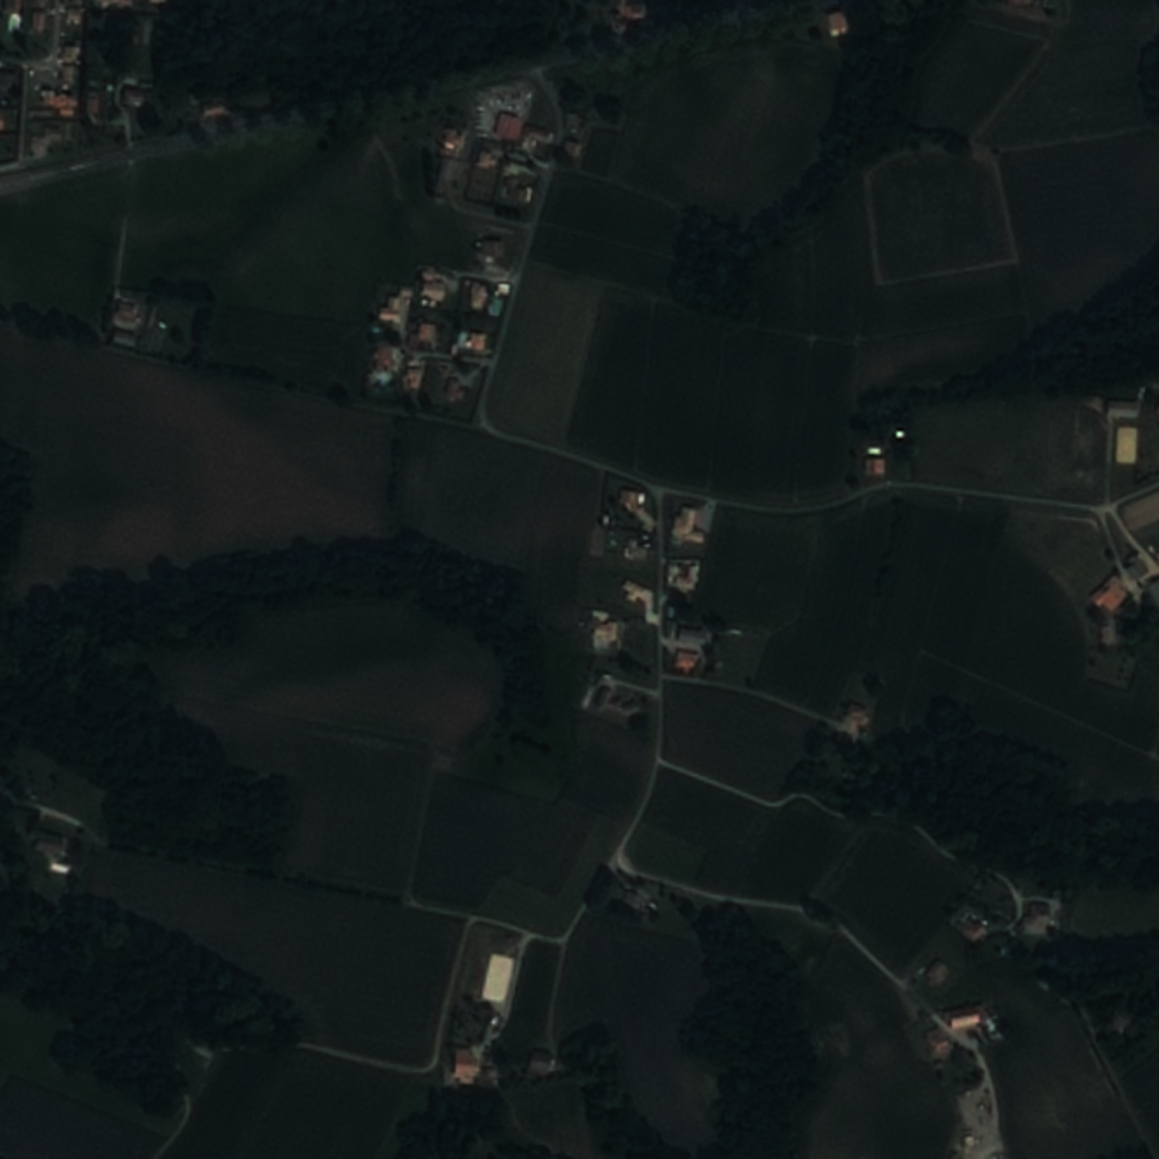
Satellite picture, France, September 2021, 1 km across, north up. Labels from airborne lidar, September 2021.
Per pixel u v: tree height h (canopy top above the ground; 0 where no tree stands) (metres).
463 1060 0
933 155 0
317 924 0
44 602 20
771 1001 28
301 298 0
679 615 17
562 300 0
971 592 0
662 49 30
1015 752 17
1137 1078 0
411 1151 19
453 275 0
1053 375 23
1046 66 0
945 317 0
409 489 0
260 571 21
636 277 0
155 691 22
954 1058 8
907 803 17
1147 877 20
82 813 0
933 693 0
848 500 0
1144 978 15
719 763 0
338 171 0
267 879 9
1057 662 0
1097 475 0
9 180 0
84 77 10
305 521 0
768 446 0
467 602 29
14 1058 0
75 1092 0
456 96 0
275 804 13
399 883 0
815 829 0
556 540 0
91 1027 23
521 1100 0
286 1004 9
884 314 0
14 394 0
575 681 0
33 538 0
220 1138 0
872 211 0
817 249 0
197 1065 0
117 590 22
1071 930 0
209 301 17
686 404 0
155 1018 19
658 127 0
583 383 0
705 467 0
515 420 0
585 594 0
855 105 29
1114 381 18
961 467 0
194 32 18
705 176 0
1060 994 8
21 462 11
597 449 0
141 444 0
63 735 26
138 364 0
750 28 32
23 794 10
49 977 22
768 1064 25
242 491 0
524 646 25
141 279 0
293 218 0
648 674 7
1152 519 0
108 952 22
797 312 0
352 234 0
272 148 0
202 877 0
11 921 27
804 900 0
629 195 0
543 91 0
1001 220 0
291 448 0
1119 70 0
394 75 23
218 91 13
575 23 6
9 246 0
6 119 0
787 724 0
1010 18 0
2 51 9
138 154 0
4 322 10
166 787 29
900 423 16
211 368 8
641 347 0
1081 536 0
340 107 30
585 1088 6
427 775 0
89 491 0
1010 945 6
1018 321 0
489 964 0
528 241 0
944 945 0
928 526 0
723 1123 7
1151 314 24
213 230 0
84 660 29
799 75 0
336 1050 0
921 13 27
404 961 0
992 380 20
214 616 25
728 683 0
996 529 0
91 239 0
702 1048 23
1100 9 0
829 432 0
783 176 0
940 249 0
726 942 24
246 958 0
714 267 26
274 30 27
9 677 28
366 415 0
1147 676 0
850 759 15
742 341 0
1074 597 0
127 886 0
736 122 0
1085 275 0
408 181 0
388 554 19
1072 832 24
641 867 0
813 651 0
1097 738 0
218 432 0
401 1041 0
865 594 0
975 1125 0
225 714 0
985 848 20
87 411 0
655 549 0
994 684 0
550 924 0
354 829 0
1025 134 0
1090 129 0
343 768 0
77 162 0
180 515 0
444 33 25
